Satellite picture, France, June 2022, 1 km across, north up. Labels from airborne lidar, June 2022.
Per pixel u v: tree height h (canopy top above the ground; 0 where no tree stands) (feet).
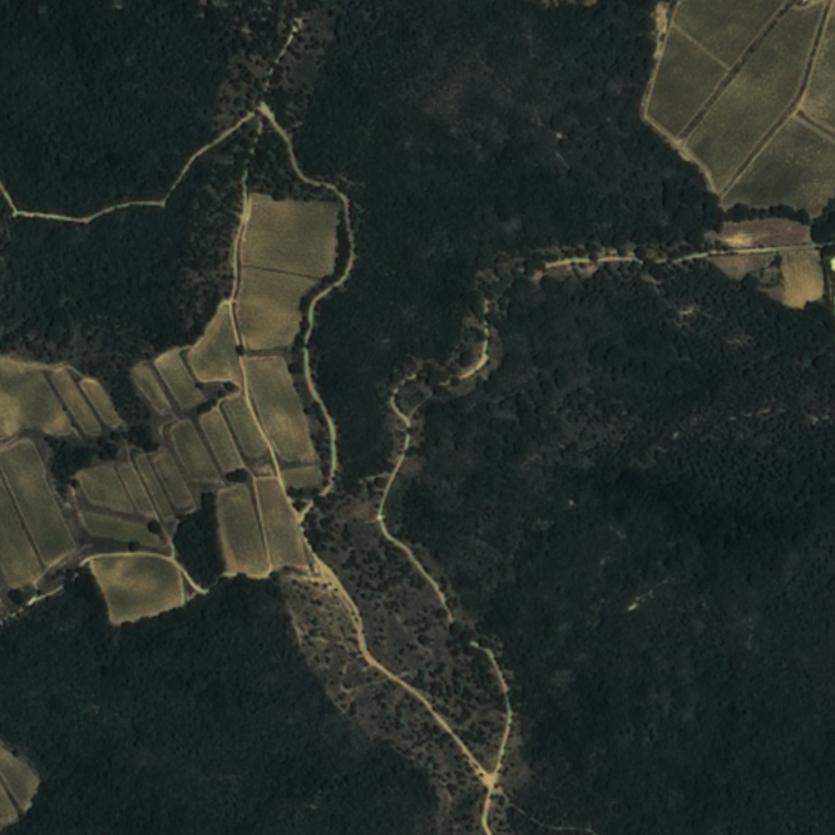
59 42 32
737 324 43
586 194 27
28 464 0
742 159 0
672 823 24
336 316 27
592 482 31
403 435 17
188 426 0
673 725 25
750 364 51
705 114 0
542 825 27
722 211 46
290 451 0
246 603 25
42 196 19
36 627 32
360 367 21
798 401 37
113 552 0
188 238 29
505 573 27
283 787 25
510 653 24
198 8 29
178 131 20
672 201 44
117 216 20
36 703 24
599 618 30
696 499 40
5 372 0
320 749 26
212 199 27
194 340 26
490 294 45
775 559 43
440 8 18
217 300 30
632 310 29
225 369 0
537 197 36
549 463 27
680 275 44
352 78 26
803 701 17
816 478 52
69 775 20
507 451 29
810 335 48
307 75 0
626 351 40
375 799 25
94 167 27
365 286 21
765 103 0
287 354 0
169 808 28
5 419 0
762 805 26
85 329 26
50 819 21
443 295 35
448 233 23
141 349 22
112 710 24
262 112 22
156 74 24
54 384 0
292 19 25
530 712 22
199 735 24
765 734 33
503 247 20
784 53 0
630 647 19
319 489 23
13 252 23
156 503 0
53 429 0
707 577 45
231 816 35
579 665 25
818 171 0
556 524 27
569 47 36
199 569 19
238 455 0
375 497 29
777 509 47
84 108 26
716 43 0
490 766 0
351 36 44
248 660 20
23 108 34
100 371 26
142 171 43
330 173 20
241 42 32
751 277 39
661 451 45
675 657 18
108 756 36
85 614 19
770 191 0
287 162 33
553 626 32
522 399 47
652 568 42
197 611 21
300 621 0
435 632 0
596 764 18
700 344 48
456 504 18
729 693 31
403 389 23
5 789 0
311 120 20
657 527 33
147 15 26
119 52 32
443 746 20
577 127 25
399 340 25
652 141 48
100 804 30
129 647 30
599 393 29
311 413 46
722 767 39
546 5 20
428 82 24
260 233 0
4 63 21
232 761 20
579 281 40
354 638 20
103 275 30
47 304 31
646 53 21
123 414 34
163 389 0
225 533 0
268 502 0
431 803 23
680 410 46
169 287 33
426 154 30
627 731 30
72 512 0
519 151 30
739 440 37
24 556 0
